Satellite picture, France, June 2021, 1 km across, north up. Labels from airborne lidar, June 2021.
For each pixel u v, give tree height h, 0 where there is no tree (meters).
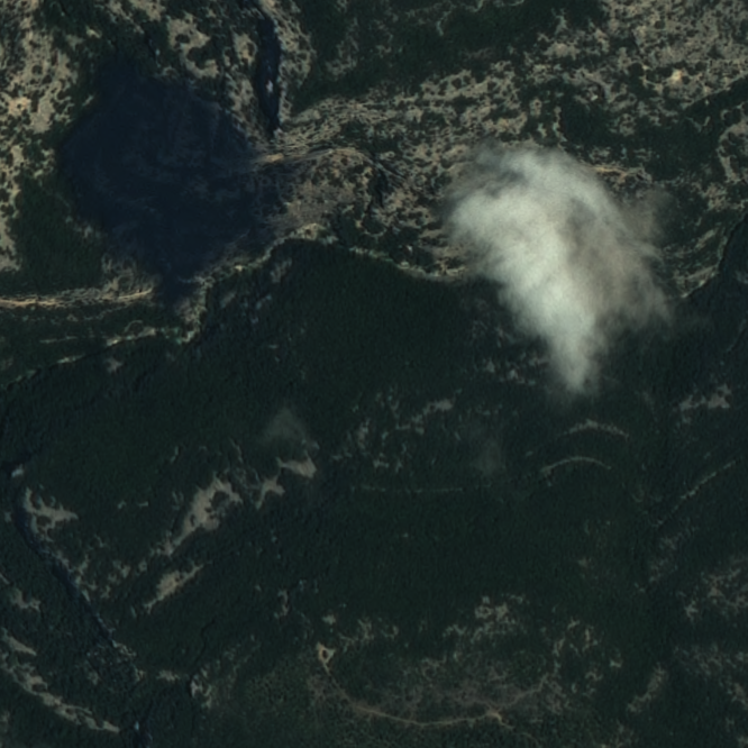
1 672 9
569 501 8
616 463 7
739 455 9
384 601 8
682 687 6
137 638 8
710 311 9
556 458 6
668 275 6
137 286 44
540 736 8
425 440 6
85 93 7
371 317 10
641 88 6
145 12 7
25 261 8
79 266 10
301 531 7
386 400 6
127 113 6
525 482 7
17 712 11
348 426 6
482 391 6
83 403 9
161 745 6
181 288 9
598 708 6
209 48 12
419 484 7
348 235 8
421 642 6
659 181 9
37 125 0
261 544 9
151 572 8
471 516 9
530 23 12
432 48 10
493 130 6
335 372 12
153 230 12
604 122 8
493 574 8
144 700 11
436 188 6
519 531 7
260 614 8
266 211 8
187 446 8
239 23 7
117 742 14
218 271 12
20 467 15
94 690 7
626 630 8
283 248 16
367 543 9
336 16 9
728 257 11
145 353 13
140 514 7
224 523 6
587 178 8
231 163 0
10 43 7
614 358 6
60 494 7
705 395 8
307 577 8
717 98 12
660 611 9
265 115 9
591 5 8
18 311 12
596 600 8
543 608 7
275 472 7
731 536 8
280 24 6
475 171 8
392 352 10
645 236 9
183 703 10
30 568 7
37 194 11
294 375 11
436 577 7
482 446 7
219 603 12
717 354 7
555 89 8
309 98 9
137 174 22
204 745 7
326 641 6
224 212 7
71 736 15
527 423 7
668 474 6
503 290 7
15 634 12
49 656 7
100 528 8
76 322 8
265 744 6
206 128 6
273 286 9
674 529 6
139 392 9
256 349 10
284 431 10
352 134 9
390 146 6
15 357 7
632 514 11
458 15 7
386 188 9
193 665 8
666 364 18
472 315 6
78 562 7
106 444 10
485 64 7
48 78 7
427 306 14
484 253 7
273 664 6
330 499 6
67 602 8
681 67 8
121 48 16
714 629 6
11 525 9
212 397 11
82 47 12
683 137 9
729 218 8
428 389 6
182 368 8
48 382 15
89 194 13
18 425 15
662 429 7
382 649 6
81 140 10
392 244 14
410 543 10
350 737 8
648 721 6
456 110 7
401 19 8
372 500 8
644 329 11
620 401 7
